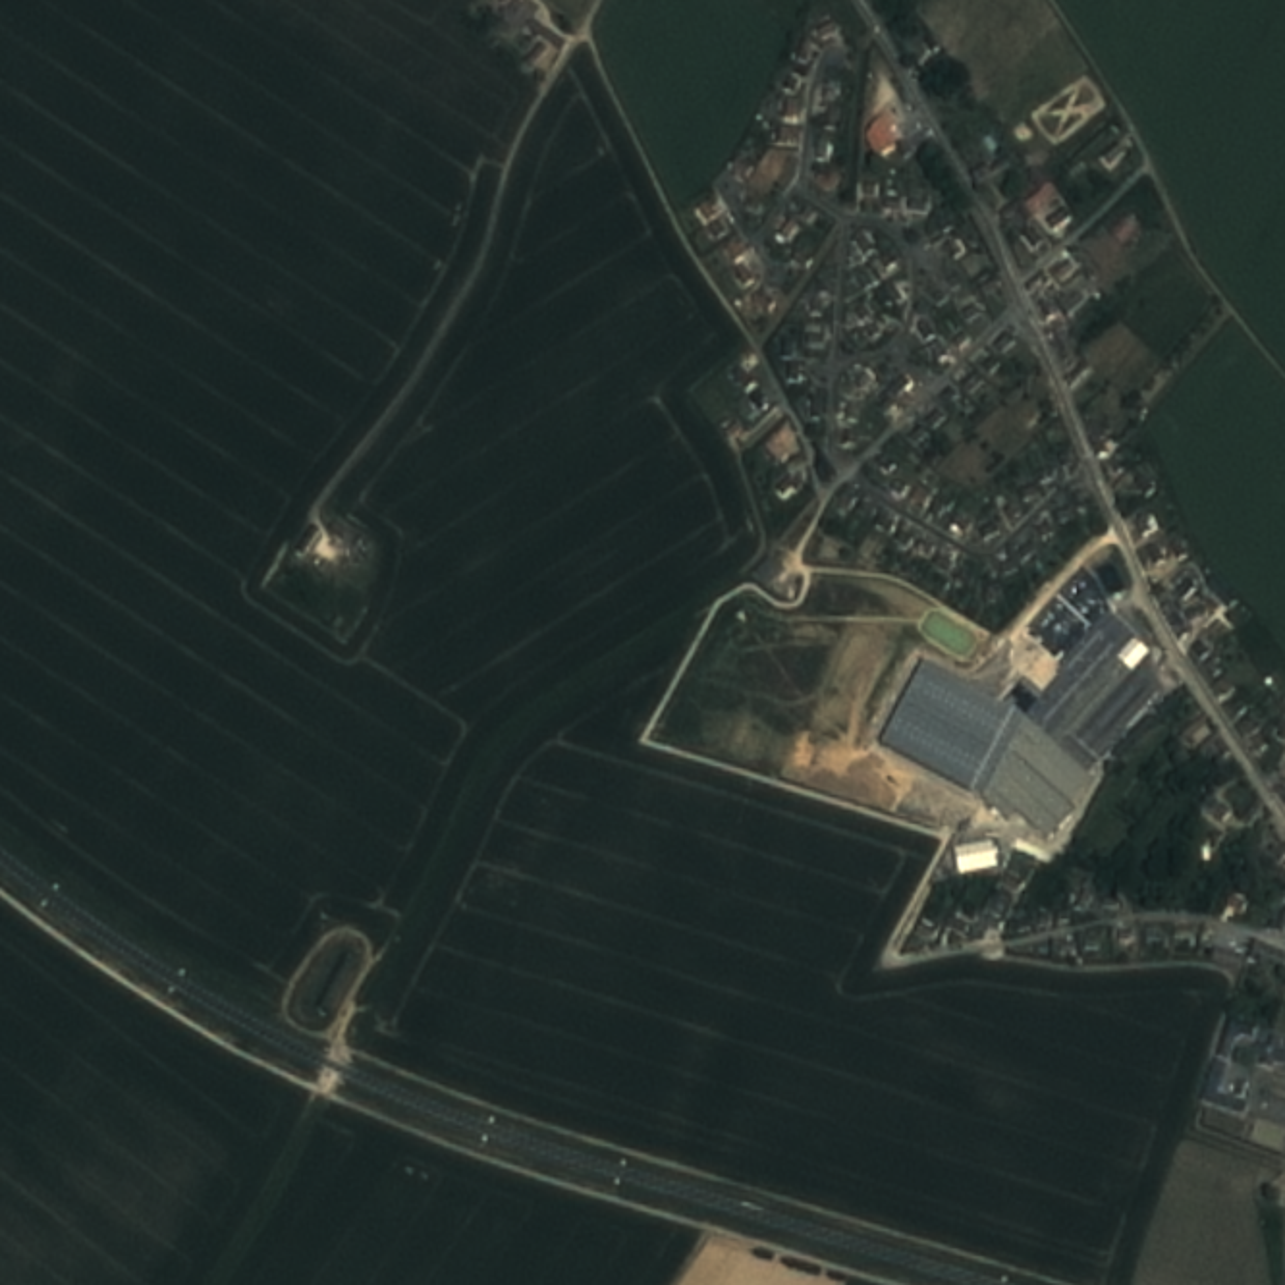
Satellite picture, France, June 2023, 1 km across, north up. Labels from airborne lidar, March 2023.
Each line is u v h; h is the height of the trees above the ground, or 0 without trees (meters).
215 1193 0
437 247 0
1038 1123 0
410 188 0
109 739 0
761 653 0
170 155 0
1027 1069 0
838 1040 0
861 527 0
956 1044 0
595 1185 0
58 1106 0
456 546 0
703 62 0
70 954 0
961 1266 0
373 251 0
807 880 0
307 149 0
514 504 0
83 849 0
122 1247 0
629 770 0
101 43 0
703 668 0
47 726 0
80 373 0
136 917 0
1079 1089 0
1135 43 0
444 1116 0
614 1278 0
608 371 0
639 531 0
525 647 0
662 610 0
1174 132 0
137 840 0
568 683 0
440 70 0
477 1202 0
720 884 0
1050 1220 0
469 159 0
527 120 0
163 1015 0
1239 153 0
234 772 0
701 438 0
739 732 0
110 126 0
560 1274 0
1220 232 0
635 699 0
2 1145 0
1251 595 0
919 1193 0
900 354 0
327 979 0
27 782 0
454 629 0
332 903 0
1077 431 0
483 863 0
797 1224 0
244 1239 0
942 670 0
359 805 0
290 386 0
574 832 0
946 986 0
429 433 0
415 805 0
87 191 0
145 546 0
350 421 0
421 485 0
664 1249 0
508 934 0
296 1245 0
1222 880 14
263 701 0
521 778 0
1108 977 0
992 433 0
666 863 0
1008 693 0
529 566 0
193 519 0
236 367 0
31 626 0
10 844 0
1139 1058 0
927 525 0
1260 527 0
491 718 0
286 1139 0
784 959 0
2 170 0
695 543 0
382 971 0
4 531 0
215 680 0
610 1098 0
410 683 0
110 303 0
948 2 0
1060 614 0
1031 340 0
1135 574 0
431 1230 0
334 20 0
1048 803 0
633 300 0
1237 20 0
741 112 0
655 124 0
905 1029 0
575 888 0
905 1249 0
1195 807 6
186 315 0
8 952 0
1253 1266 0
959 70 16
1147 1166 0
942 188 11
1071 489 6
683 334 0
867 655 0
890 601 0
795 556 0
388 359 0
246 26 0
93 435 0
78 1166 0
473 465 0
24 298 0
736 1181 0
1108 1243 0
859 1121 0
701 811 0
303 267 0
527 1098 0
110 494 0
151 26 0
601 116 0
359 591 0
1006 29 0
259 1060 0
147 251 0
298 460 0
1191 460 0
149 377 0
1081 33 0
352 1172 0
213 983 0
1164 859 13
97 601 0
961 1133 0
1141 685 0
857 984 0
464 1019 0
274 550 0
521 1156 0
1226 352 0
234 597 0
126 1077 0
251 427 0
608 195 0
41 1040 0
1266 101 0
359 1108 0
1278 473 0
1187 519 0
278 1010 0
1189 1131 0
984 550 0
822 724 0
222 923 0
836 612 0
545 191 0
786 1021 0
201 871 0
